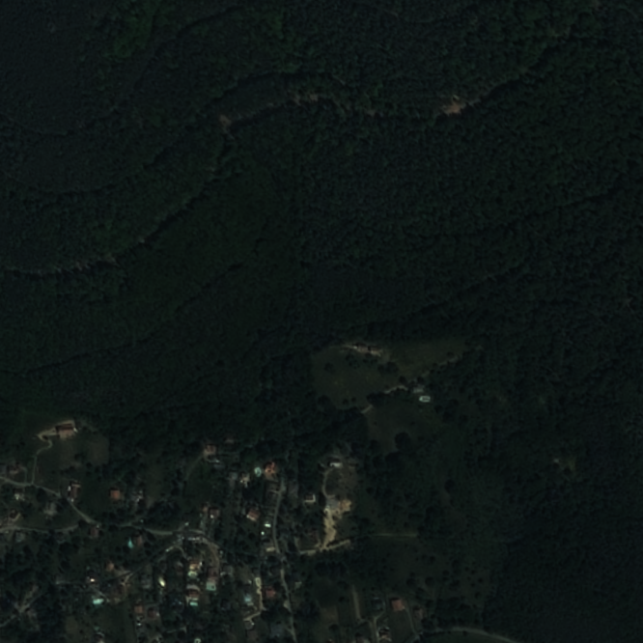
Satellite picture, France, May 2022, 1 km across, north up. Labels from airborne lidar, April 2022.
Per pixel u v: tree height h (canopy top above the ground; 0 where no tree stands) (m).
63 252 21
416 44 18
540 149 32
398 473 21
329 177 24
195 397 20
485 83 13
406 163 28
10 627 10
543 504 8
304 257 26
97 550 10
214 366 31
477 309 16
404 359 0
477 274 26
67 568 21
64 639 8
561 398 22
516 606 18
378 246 26
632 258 30
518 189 29
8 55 18
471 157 27
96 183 24
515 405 10
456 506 10
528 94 32
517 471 6
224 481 8
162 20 26
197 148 24
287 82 27
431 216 28
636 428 15
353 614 0
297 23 28
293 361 22
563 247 31
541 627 17
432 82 25
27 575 15
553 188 33
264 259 23
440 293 22
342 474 0
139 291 24
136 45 29
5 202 23
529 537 23
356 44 21
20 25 16
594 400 21
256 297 25
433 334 23
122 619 0
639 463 23
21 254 25
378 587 13
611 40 37
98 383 21
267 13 24
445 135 24
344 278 23
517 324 31
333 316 18
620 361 18
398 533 7
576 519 27
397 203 22
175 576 10
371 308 24
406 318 23
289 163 28
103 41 28
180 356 21
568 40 31
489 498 11
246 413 20
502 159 30
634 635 14
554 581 20
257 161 29
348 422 26
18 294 20
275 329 25
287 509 13
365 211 23
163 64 22
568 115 31
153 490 0
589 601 23
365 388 0
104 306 22
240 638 0
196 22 23
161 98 28
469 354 7
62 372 22
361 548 11
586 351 30
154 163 23
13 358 19
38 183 16
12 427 23
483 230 27
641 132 34
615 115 33
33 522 0
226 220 23
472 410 0
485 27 28
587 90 36
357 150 22
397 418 0
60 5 16
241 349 22
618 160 31
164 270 28
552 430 15
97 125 26
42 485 0
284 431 18
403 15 15
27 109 16
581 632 17
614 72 39
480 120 25
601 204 28
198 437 23
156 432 10
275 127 27
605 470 18
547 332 19
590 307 27
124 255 23
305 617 18
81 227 26
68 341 21
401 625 0
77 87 21
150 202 23
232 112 25
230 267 20
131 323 22
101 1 15
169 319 20
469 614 17
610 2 29
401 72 18
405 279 17
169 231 24
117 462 6
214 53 24
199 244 25
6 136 11
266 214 24
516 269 32
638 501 19
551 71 35
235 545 8
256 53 28
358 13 19
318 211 25
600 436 22
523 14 33
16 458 0
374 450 18
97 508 0
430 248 31
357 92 24
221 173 22
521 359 21
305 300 19
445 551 11
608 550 29
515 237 32
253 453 16
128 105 27
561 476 9
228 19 23
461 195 28
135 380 23
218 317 24
